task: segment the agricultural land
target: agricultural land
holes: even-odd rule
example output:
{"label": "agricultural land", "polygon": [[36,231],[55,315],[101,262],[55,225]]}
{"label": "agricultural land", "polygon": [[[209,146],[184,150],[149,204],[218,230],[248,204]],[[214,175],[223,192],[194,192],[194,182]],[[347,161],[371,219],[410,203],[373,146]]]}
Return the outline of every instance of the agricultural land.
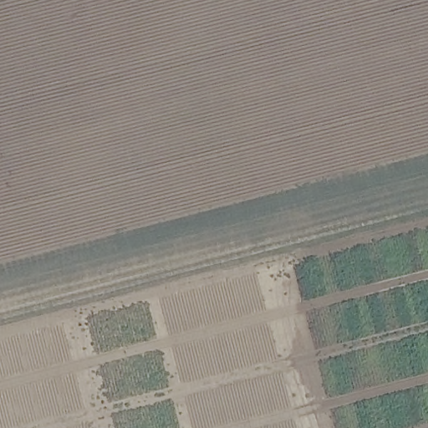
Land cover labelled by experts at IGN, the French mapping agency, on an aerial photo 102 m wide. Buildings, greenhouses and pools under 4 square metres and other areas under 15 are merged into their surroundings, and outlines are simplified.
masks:
{"label": "agricultural land", "polygon": [[[95,353],[87,324],[89,314],[99,313],[102,309],[112,311],[139,301],[149,303],[155,329],[154,336],[144,343],[127,344],[110,351]],[[166,388],[147,391],[142,395],[107,400],[100,390],[102,376],[97,374],[100,364],[144,354],[147,351],[164,353],[164,368],[169,373],[169,385]],[[176,418],[181,428],[428,428],[428,0],[0,0],[0,428],[115,428],[112,421],[112,413],[115,411],[132,410],[137,406],[154,405],[166,400],[172,400],[174,403]]]}

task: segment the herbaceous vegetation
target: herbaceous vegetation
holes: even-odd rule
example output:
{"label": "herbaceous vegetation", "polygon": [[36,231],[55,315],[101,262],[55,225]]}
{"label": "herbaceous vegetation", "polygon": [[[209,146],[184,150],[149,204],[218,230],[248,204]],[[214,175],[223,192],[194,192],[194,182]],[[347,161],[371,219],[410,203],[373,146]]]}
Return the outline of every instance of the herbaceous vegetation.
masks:
{"label": "herbaceous vegetation", "polygon": [[110,351],[127,344],[144,343],[154,336],[155,329],[149,303],[139,301],[112,311],[102,309],[99,313],[89,314],[87,324],[95,353]]}
{"label": "herbaceous vegetation", "polygon": [[115,411],[112,413],[112,421],[115,428],[181,428],[176,418],[174,403],[172,400],[166,400],[154,405],[137,406],[132,410]]}
{"label": "herbaceous vegetation", "polygon": [[164,368],[164,353],[147,351],[144,354],[100,364],[97,374],[102,376],[100,390],[107,400],[142,395],[147,391],[166,388],[169,385],[169,373]]}

